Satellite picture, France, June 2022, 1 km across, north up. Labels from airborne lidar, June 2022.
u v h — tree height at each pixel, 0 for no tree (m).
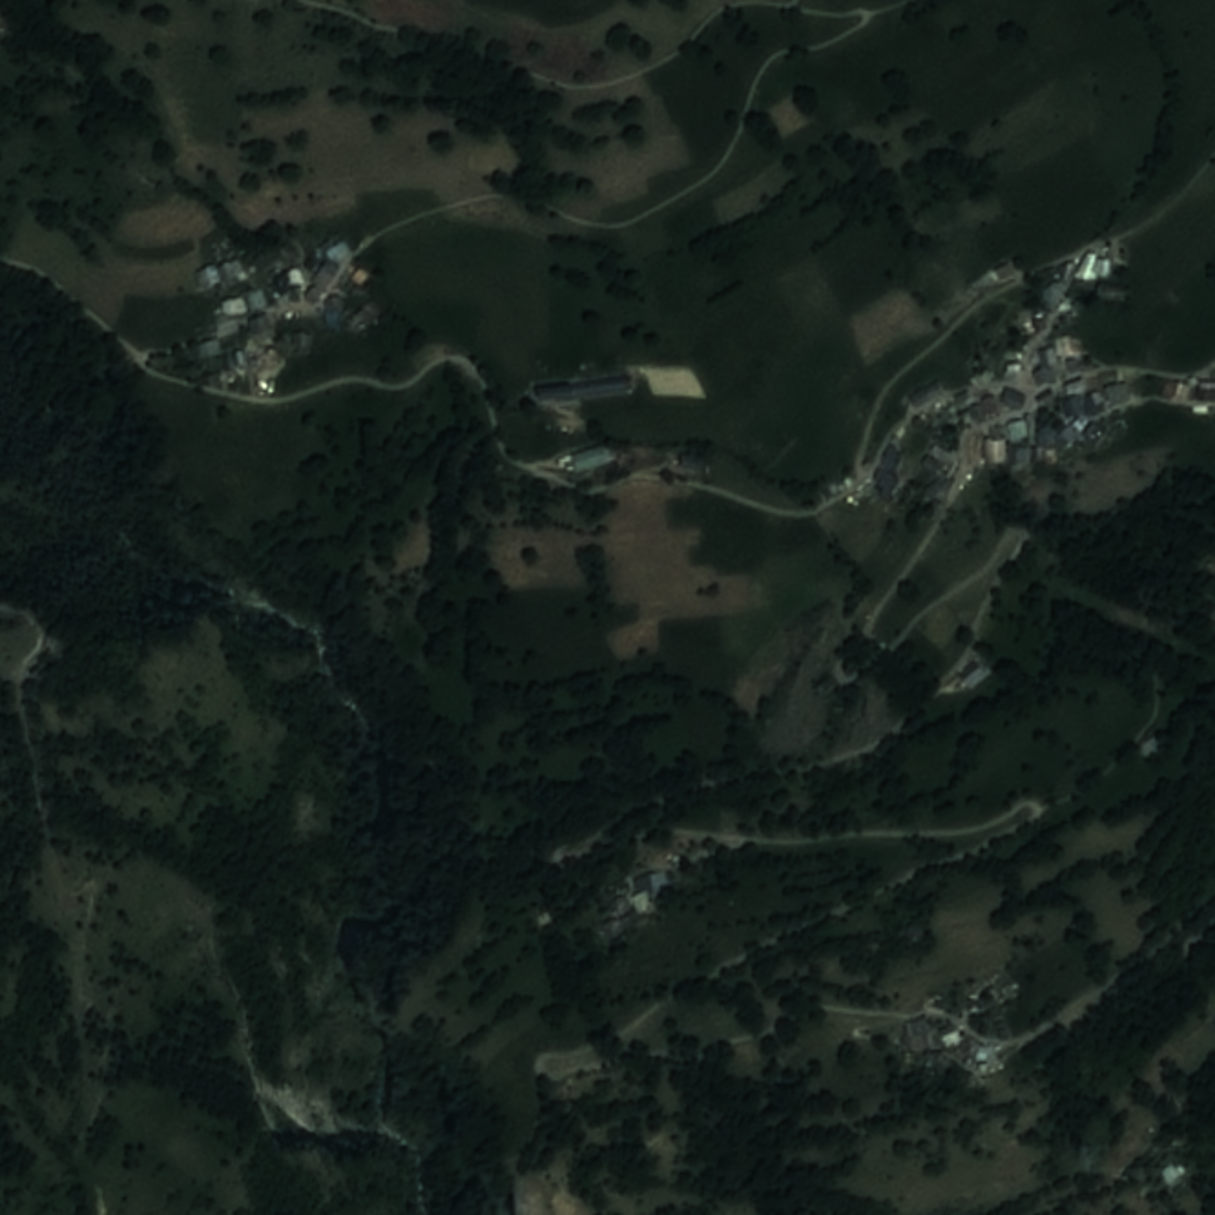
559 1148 16
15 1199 10
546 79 0
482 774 17
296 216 0
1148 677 28
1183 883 17
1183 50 0
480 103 15
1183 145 0
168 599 16
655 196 0
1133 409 0
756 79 0
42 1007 10
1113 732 0
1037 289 9
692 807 14
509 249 0
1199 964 22
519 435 0
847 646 11
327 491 17
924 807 18
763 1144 17
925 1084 6
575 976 22
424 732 23
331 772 9
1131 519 19
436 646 22
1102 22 0
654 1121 17
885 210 8
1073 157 0
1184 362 0
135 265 0
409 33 17
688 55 14
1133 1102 16
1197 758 24
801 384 0
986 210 0
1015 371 0
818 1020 16
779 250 0
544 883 10
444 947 16
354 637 29
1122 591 17
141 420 10
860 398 0
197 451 0
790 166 11
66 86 8
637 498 0
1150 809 15
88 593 22
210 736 15
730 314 0
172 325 0
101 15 0
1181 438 0
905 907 14
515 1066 0
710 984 11
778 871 16
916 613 0
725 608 0
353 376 0
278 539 15
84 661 19
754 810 18
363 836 34
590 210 0
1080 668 22
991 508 11
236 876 23
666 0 17
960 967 0
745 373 0
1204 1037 0
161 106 0
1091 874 17
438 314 0
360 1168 17
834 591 0
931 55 0
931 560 0
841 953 17
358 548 17
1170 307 0
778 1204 24
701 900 7
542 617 0
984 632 0
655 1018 0
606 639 0
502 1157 21
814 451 0
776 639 0
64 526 15
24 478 15
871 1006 12
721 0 0
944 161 26
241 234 12
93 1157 13
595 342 0
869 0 0
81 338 19
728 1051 20
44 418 16
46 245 0
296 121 0
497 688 19
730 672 0
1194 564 24
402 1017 58
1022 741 0
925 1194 0
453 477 20
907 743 20
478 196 0
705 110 0
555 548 0
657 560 0
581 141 15
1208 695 28
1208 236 0
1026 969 0
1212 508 18
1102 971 23
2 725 21
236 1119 18
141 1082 13
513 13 0
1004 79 0
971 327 0
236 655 16
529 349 0
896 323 0
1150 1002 27
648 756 21
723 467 0
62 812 21
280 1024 13
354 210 0
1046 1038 15
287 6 10
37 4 16
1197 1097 20
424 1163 9
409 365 0
